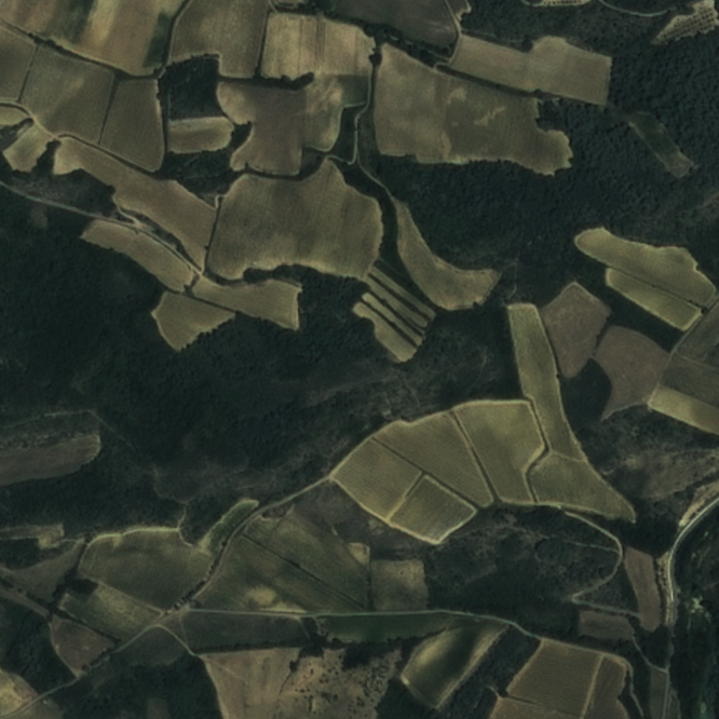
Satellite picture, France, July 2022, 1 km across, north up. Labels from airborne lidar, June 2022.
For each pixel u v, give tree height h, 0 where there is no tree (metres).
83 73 0
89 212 7
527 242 9
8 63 0
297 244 0
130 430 7
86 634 0
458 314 6
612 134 18
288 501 0
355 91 0
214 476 0
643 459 0
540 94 10
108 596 0
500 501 0
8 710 0
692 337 0
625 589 6
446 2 0
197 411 7
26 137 0
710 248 6
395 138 0
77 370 7
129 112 0
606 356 0
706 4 0
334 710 0
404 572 0
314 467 12
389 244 14
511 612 9
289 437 9
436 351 10
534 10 7
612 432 6
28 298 7
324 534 0
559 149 0
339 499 0
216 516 7
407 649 10
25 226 10
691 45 9
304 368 8
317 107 0
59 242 11
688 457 0
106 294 7
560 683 0
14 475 0
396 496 0
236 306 0
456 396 7
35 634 10
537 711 0
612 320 7
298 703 0
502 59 0
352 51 0
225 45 0
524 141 0
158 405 6
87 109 0
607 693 0
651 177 14
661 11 9
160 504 6
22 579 0
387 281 0
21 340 5
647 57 11
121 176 0
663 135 0
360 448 0
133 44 0
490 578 7
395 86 0
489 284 0
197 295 0
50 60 0
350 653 7
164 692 7
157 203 0
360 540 0
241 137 6
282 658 0
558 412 0
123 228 0
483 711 9
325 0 14
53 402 7
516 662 7
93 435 0
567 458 0
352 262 0
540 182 12
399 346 0
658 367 0
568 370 0
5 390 8
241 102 0
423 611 0
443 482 0
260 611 0
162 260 0
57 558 0
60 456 0
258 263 0
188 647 0
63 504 6
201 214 0
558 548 13
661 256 0
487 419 0
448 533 0
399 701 9
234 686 0
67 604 0
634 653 7
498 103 0
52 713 0
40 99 0
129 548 0
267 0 0
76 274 10
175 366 18
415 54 13
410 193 7
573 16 6
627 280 0
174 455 7
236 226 0
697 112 15
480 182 9
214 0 0
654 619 0
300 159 0
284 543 0
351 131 9
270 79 7
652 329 8
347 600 0
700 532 19
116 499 6
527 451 0
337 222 0
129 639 0
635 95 13
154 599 0
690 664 20
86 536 6
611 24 7
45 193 0
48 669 11
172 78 8
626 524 6
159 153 0
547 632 11
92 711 7
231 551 0
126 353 7
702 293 0
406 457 0
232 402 7
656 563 6
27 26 0
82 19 0
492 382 6
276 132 0
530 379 0
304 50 0
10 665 9
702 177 8
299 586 0
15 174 11
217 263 0
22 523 7
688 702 13
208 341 14
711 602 12
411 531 0
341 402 10
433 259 0
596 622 0
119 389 7
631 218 11
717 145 13
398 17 0
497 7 12
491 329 6
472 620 0
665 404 0
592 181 15
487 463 0
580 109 11
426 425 0
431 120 0
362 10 0
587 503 0
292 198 0
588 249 0
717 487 0
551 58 0
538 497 0
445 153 0
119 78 0
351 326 7
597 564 10
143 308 10
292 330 9
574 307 0
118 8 0
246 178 0
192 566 0
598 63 0
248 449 11
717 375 0
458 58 0
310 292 9
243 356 8
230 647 6
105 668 0
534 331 0
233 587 0
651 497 0
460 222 8
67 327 13
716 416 0
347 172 6
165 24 0
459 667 0
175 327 0
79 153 0
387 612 0
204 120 0
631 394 0
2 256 7
